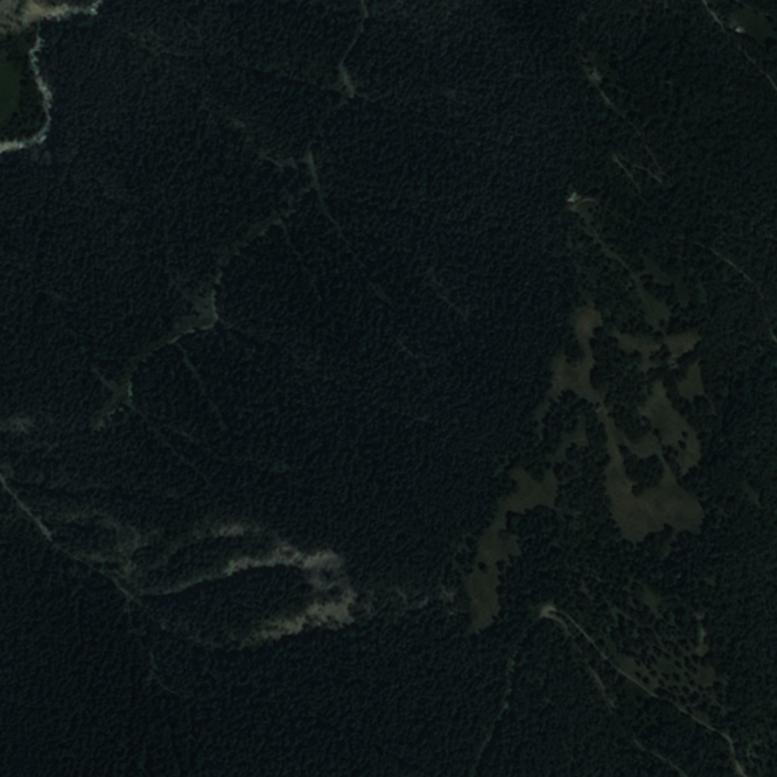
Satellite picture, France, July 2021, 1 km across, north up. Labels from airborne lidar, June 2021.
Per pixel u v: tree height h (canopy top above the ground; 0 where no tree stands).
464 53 12
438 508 21
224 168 24
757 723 26
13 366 12
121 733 26
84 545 9
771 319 15
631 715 16
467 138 15
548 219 14
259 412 30
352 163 18
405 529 14
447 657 23
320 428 17
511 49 11
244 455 12
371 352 22
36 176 18
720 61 12
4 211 22
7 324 19
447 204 17
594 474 13
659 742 23
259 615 11
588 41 14
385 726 23
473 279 29
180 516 13
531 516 18
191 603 12
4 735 21
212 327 0
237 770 24
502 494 19
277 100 15
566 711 23
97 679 25
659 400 0
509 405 21
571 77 11
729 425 22
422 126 13
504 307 27
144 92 22
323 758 19
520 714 25
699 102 23
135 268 15
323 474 15
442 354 21
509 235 23
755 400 17
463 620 12
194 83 8
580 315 0
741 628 15
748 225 20
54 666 26
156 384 13
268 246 11
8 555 21
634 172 11
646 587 6
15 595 14
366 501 25
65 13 0
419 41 11
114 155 19
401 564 27
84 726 30
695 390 0
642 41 11
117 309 18
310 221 16
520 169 15
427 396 9
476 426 14
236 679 23
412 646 11
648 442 0
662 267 12
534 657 13
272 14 21
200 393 22
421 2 6
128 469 16
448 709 21
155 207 27
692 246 14
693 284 11
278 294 22
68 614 24
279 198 26
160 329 18
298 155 11
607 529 22
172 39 8
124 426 14
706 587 16
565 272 9
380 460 24
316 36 18
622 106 14
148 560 9
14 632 18
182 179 15
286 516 16
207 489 18
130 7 18
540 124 7
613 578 21
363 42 15
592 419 8
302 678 27
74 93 17
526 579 10
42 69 17
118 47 8
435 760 21
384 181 17
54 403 11
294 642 22
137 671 25
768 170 19
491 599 0
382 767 20
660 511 0
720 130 18
